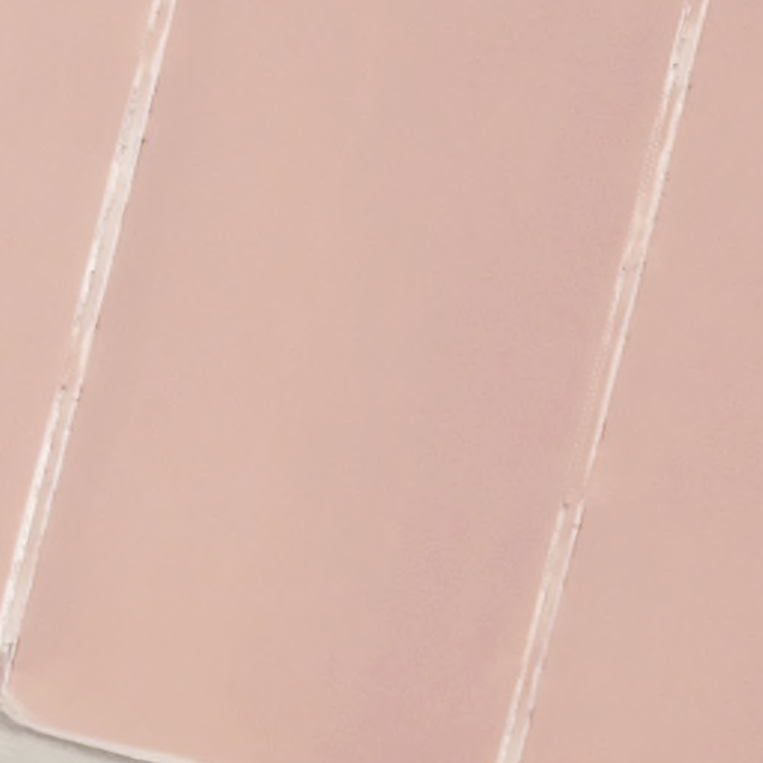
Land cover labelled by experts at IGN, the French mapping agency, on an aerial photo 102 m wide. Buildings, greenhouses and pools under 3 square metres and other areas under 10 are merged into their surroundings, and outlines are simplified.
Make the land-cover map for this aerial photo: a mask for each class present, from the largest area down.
<instances>
[{"label":"water","instance_id":"1","mask_svg":"<svg viewBox=\"0 0 763 763\"><path fill-rule=\"evenodd\" d=\"M149 0H0V596L6 587L9 557L15 548L27 486L33 477L54 393L69 390L75 379L77 349L72 346V313L128 101V86L137 66V27L146 21ZM683 0H176L173 30L158 72L146 131L140 137L131 194L122 212L119 241L113 253V268L92 334L86 379L72 417L60 486L51 504L48 531L42 536L33 587L21 614V629L15 644L9 647L12 691L27 712L57 727H72L80 733L140 748L170 751L200 763H495L504 736L510 691L519 674L522 641L531 623L536 584L542 575L551 522L557 510L572 507H581L584 513L572 545L569 572L563 578V596L548 638L539 694L528 718L531 727L519 763H763V0H709L686 86L677 143L668 161L659 212L653 221V235L641 271V286L635 298L629 337L623 346L611 408L602 426L599 456L593 465L584 456L590 447L593 420L599 411L611 364V355L599 349V340L617 274V259L626 244V229L632 221L644 173L647 137L659 107Z\"/></svg>","mask_w":763,"mask_h":763},{"label":"pervious surface","instance_id":"2","mask_svg":"<svg viewBox=\"0 0 763 763\"><path fill-rule=\"evenodd\" d=\"M176 0H149L146 21L137 27V66L128 86V101L72 313V346L77 349L75 379L69 390L54 393L33 477L27 486L15 548L9 557L6 587L0 596V763H200L170 751L140 748L80 733L72 727H57L27 712L12 691L9 647L15 644L21 629V614L33 587L42 536L48 531L51 504L60 486L72 417L86 379L92 334L113 268V253L119 241L122 212L131 194L140 137L146 131L158 72L173 30ZM709 0H683L659 107L647 137L644 173L632 221L626 229V244L617 259V274L599 340V349L611 355V364L599 411L593 420L590 447L584 456L593 465L599 456L602 426L611 408L623 346L629 337L635 298L641 286V271L653 235V221L659 212L668 161L677 143L686 86ZM584 513L581 507H572L557 510L551 522L542 575L536 584L531 623L522 641L519 674L510 691L504 736L495 763H519L531 727L528 718L539 694L548 638L563 596V578L569 572L572 545Z\"/></svg>","mask_w":763,"mask_h":763}]
</instances>
